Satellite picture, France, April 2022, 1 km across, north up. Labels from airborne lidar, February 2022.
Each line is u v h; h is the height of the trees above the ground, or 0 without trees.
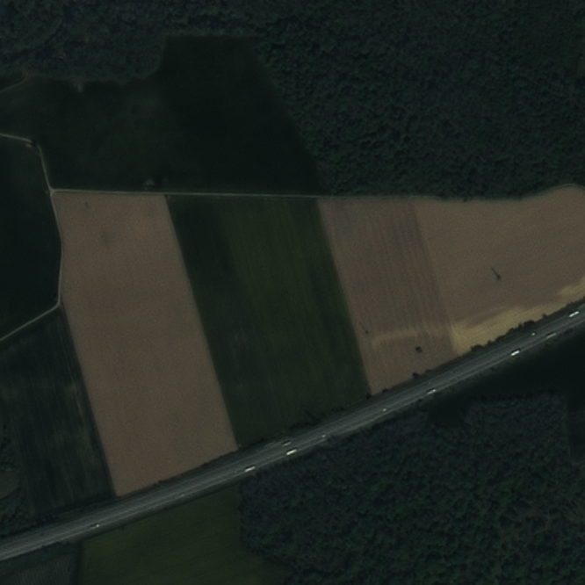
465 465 24
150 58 25
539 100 18
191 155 0
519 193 24
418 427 20
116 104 0
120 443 0
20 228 0
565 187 0
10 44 18
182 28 19
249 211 0
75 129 0
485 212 0
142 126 0
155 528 0
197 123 0
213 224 0
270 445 0
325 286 0
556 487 13
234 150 0
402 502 25
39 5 13
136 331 0
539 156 23
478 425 26
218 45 0
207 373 0
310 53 21
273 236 0
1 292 0
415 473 22
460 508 25
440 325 0
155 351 0
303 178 0
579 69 0
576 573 19
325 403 0
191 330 0
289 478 19
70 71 22
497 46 13
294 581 10
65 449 0
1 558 0
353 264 0
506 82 15
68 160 0
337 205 0
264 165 0
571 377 0
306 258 0
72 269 0
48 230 0
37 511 0
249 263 0
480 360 0
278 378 0
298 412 0
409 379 0
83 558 0
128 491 0
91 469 0
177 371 0
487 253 0
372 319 0
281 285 0
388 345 0
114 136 0
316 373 0
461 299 0
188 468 0
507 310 0
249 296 0
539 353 0
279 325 0
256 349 0
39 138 0
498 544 26
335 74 28
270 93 0
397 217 0
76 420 0
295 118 12
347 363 0
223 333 0
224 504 0
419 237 0
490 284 0
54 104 0
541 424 26
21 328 0
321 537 26
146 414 0
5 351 0
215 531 0
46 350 0
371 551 22
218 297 0
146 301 0
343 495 17
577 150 27
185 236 0
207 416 0
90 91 0
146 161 0
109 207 0
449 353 0
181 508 0
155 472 0
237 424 0
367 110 26
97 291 0
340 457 21
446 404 0
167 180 0
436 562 24
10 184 0
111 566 0
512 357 0
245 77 0
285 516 24
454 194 14
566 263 0
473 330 0
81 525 0
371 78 26
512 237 0
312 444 0
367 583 27
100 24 26
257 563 0
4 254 0
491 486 23
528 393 0
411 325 0
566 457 16
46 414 0
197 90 0
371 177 18
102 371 0
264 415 0
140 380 0
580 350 0
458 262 0
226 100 0
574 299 0
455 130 23
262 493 19
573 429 0
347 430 0
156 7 23
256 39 15
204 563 0
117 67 25
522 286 0
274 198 0
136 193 0
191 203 0
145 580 0
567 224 0
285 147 0
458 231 0
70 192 0
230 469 0
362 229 0
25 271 0
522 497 14
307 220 0
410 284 0
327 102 22
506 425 23
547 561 28
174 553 0
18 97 0
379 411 0
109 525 0
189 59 0
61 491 0
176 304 0
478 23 23
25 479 0
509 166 24
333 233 0
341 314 0
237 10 17
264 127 0
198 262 0
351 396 0
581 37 13
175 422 0
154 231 0
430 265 0
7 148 0
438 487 22
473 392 0
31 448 0
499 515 25
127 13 20
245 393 0
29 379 0
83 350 0
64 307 0
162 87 0
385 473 24
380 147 18
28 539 0
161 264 0
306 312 0
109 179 0
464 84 21
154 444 0
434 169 20
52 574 0
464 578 12
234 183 0
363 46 28
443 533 19
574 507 14
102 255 0
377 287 0
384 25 13
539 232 0
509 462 20
